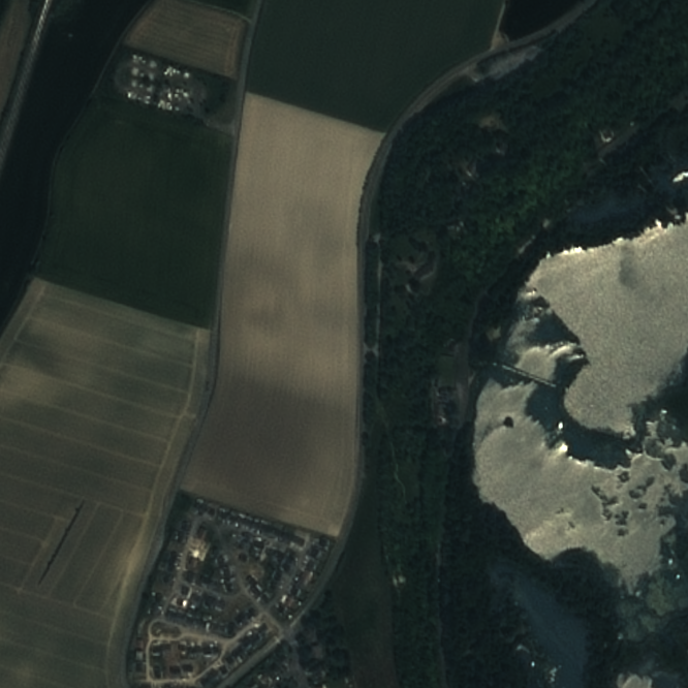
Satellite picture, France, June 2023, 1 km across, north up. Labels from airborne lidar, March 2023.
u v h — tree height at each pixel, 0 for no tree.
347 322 0
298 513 0
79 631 0
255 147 0
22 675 0
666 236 0
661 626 0
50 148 0
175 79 0
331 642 13
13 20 0
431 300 7
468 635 16
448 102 17
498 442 0
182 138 0
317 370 0
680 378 0
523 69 16
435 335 9
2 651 0
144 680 0
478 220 17
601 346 0
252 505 0
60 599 0
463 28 0
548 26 0
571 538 0
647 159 0
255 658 0
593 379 0
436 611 11
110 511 0
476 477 0
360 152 0
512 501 0
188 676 0
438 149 19
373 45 0
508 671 26
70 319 0
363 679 0
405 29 0
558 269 0
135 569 0
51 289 0
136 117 0
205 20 0
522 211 21
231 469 0
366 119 0
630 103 19
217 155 0
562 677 0
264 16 0
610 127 9
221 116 0
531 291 0
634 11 15
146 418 0
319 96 0
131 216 0
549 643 0
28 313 0
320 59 0
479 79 0
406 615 6
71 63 0
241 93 0
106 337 0
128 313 0
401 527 8
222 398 0
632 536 0
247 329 0
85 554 0
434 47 0
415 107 0
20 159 0
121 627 0
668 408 0
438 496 23
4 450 0
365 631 0
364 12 0
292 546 0
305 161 0
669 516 0
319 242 0
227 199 0
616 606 0
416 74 0
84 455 0
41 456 0
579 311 0
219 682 0
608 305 0
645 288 0
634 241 0
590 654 7
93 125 0
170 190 0
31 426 0
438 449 22
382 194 15
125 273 0
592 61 7
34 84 0
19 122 0
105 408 0
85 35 0
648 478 0
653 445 0
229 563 0
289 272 0
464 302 18
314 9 0
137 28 0
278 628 0
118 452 0
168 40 0
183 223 0
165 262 0
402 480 0
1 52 0
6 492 0
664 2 15
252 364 0
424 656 7
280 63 0
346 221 0
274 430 0
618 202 0
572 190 12
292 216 0
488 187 20
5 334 0
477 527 18
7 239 0
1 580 0
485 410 0
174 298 0
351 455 0
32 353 0
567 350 0
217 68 0
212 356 0
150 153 0
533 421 0
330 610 11
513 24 0
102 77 0
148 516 0
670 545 0
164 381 0
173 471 0
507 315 6
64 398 0
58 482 0
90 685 0
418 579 12
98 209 0
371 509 0
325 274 0
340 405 0
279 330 0
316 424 0
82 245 0
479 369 18
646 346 0
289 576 0
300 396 0
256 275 0
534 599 0
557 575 13
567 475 0
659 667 0
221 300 0
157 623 0
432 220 13
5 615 0
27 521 0
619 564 0
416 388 7
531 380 0
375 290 14
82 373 0
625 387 0
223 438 0
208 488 0
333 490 0
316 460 0
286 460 0
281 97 0
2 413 0
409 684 9
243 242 0
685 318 0
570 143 14
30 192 0
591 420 0
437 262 0
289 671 0
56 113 0
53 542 0
